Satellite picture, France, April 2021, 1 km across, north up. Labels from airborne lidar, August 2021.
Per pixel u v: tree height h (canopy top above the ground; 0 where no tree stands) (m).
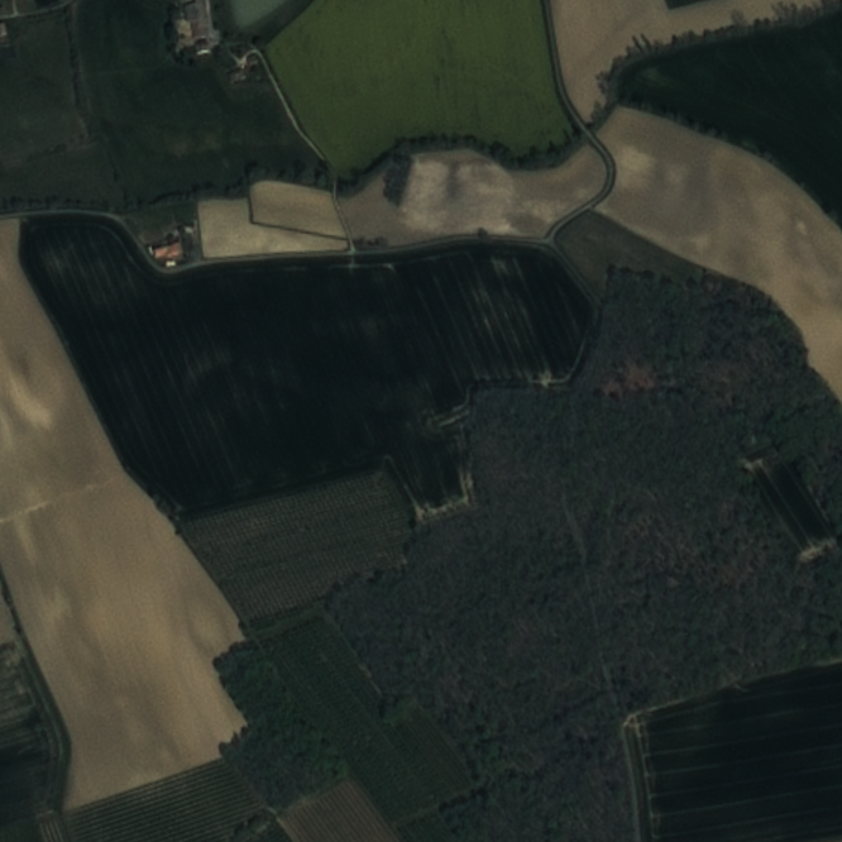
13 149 0
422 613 15
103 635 0
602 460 14
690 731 0
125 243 0
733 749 0
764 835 0
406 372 0
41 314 0
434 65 0
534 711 12
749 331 14
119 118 0
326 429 0
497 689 17
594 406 17
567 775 15
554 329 0
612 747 11
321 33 0
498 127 0
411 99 0
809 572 12
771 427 23
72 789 0
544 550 17
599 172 0
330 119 0
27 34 0
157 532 0
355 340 0
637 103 10
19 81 0
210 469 0
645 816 0
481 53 0
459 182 0
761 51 0
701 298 20
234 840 10
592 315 0
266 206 0
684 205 0
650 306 18
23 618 0
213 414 0
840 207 0
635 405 15
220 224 0
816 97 0
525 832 20
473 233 0
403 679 21
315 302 0
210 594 0
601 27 0
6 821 0
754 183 0
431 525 17
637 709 10
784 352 24
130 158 0
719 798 0
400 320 0
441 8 0
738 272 0
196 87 0
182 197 14
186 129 0
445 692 14
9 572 0
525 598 13
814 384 19
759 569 12
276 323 0
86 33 0
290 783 17
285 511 6
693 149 0
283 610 7
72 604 0
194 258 0
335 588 6
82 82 12
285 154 0
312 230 0
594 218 0
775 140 0
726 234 0
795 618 17
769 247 0
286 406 0
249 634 12
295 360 0
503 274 0
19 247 0
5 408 0
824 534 0
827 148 0
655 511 14
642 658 14
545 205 0
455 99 0
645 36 0
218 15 8
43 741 0
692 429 19
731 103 0
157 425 0
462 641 17
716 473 25
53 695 0
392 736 6
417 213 0
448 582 16
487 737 21
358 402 0
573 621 16
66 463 0
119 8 0
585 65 0
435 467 0
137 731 0
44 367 0
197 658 0
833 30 0
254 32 0
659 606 12
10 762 0
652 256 0
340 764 18
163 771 0
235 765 17
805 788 0
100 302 0
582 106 0
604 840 18
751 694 0
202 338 0
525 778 22
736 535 17
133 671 0
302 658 6
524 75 0
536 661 15
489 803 22
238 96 0
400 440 0
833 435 21
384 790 6
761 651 11
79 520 0
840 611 19
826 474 20
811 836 0
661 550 10
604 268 0
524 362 0
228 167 0
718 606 19
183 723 0
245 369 0
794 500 0
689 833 0
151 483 0
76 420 0
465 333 0
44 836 0
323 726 6
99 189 0
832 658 15
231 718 0
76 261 0
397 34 0
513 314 0
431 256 0
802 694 0
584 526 12
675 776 0
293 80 0
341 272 0
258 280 0
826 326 0
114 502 0
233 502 0
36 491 0
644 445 20
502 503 17
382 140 0
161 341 0
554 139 0
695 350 21
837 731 0
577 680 16
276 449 0
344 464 0
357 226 0
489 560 16
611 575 14
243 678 25
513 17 0
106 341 0
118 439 0
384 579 18
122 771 0
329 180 26
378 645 18
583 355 0
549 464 17
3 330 0
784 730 0
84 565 0
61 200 11
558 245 0
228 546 6
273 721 24
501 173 0
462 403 0
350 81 0
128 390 0
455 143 14
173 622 0
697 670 17
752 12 0
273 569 6
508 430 16
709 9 0
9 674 0
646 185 0
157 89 0
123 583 0
